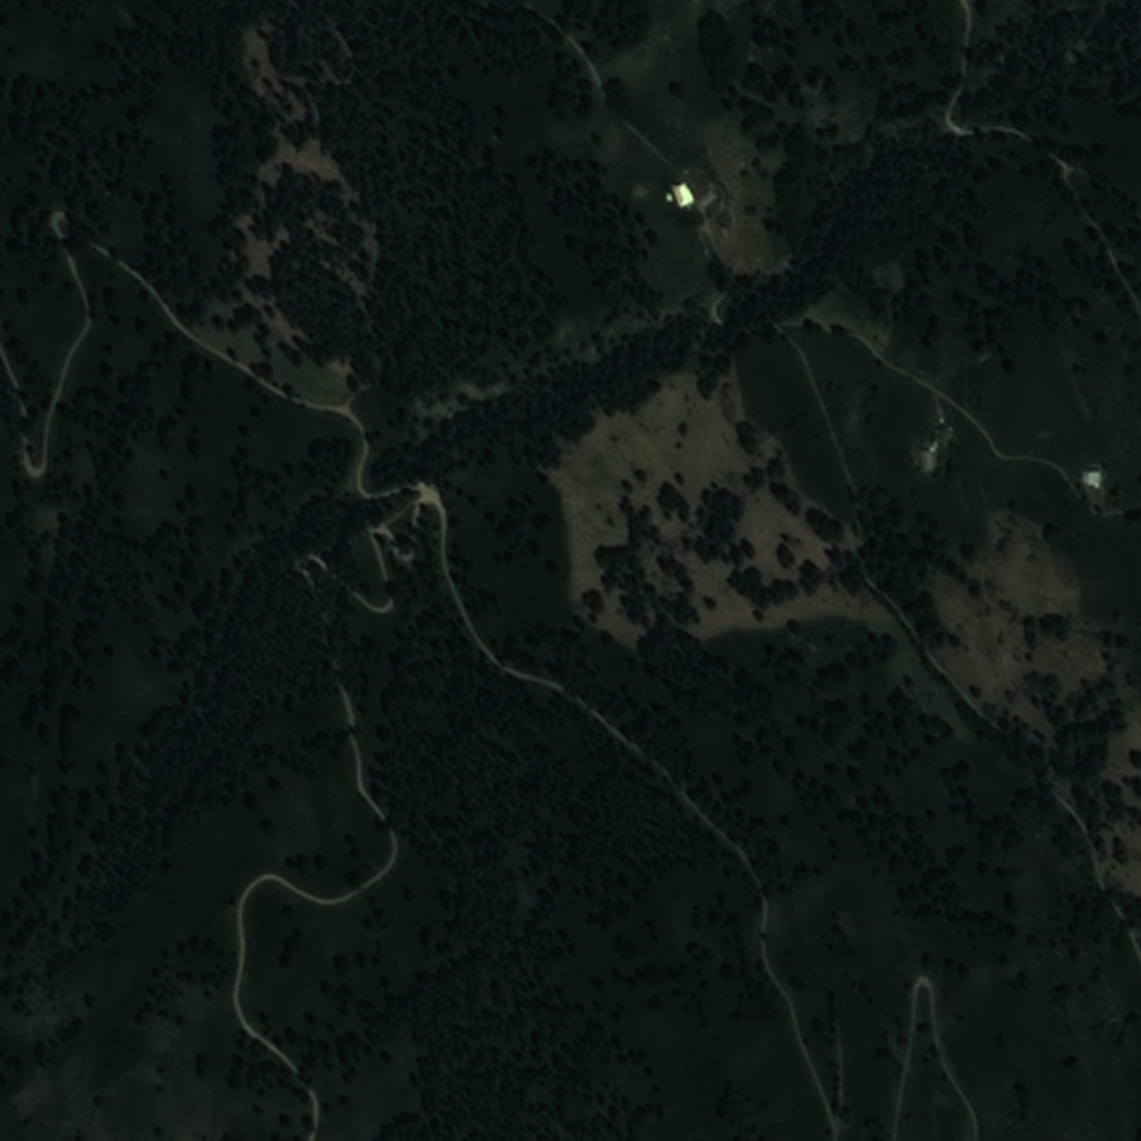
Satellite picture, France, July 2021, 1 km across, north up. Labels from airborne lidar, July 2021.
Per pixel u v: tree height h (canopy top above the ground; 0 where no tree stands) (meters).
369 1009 17
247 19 24
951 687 13
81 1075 0
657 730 20
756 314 22
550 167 25
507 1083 14
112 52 20
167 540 15
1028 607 0
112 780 0
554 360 11
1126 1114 0
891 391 0
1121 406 0
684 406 0
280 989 0
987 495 0
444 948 17
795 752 22
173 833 21
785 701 0
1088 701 9
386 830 18
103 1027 0
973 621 0
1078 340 0
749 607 0
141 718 0
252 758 20
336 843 0
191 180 0
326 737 19
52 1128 0
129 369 0
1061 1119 0
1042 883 0
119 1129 0
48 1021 0
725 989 0
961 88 8
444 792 27
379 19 20
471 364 22
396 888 0
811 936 0
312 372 0
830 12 17
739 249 0
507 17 25
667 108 0
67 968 13
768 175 8
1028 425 0
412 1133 19
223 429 0
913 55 24
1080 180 0
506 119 20
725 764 0
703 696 29
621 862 17
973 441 0
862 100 0
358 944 0
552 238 0
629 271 7
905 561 18
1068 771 26
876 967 0
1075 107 0
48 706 21
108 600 23
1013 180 0
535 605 0
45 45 0
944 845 0
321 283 24
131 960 0
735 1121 16
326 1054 18
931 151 12
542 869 24
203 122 0
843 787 0
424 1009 23
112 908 22
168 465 0
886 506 9
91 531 20
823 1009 0
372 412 0
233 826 0
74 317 0
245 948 0
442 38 26
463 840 25
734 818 21
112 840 21
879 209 28
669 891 0
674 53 0
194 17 20
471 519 0
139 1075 0
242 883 0
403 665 23
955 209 29
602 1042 23
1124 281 14
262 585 21
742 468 0
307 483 0
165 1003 14
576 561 0
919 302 21
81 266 0
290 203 24
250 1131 0
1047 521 0
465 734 28
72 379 0
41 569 19
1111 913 11
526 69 23
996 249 0
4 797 0
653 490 0
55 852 16
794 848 0
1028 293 15
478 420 20
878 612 0
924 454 0
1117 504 6
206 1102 0
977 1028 0
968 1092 0
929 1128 0
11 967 17
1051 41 25
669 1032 0
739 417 0
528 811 26
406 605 19
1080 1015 0
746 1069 0
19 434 10
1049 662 0
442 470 18
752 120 12
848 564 10
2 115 0
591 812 9
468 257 25
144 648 0
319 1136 0
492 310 27
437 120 7
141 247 0
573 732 0
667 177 0
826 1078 0
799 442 0
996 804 0
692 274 0
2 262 9
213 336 0
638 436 0
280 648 19
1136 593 0
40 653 21
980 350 15
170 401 0
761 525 0
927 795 0
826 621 0
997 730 9
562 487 0
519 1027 22
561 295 16
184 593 20
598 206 31
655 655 24
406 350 25
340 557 21
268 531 21
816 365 0
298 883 0
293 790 0
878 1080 0
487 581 0
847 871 0
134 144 13
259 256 0
